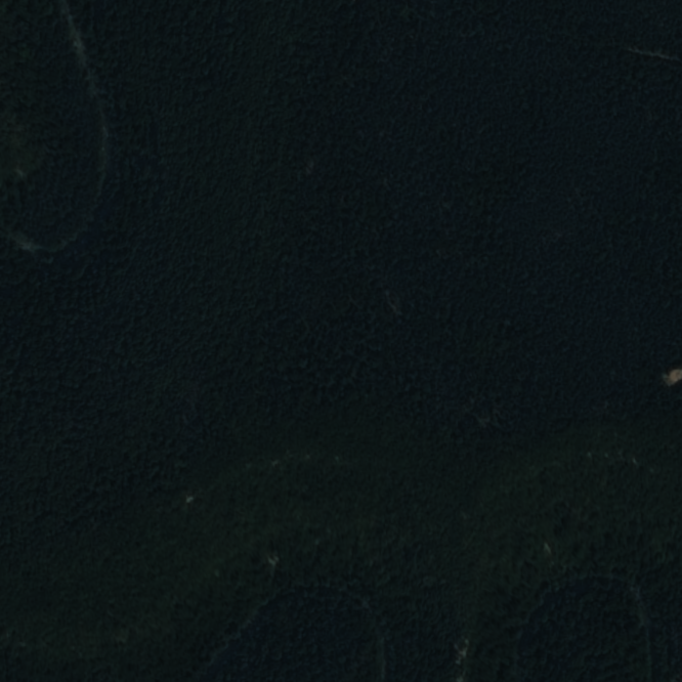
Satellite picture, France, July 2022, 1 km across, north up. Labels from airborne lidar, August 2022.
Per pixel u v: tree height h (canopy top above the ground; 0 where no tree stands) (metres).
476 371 21
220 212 17
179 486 15
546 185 22
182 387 14
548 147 24
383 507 14
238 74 23
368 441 14
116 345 27
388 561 17
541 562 8
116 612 18
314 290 19
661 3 24
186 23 29
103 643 17
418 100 26
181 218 19
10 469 21
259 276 13
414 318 21
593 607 27
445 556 13
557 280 26
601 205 22
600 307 28
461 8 17
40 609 18
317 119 21
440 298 26
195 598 24
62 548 16
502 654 26
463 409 15
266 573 26
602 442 9
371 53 21
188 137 20
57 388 29
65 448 23
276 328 19
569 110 23
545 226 22
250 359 19
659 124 22
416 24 26
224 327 14
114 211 34
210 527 14
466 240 23
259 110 16
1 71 13
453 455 11
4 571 14
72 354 34
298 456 9
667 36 17
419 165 24
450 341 25
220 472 8
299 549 13
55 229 33
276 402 17
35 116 29
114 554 17
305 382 23
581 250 23
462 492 10
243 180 17
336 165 21
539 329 18
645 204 17
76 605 17
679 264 18
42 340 25
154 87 12
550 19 18
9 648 19
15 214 28
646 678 18
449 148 25
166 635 21
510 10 26
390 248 21
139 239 24
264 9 15
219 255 15
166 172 16
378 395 18
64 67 31
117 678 22
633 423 12
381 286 25
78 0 23
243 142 16
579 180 24
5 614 14
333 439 10
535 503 16
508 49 27
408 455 12
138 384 25
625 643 14
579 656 31
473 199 26
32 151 19
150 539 17
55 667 20
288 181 14
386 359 21
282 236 16
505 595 29
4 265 29
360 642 32
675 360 18
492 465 12
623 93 24
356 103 21
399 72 23
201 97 25
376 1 23
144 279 19
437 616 18
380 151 20
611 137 24
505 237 23
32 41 30
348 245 20
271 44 12
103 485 15
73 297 30
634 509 10
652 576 31
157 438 18
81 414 25
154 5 27
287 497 14
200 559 15
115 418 22
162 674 25
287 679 30
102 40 29
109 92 23
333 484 13
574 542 9
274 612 31
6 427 25
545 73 24
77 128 38
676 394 15
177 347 20
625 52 21
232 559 16
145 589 18
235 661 27
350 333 22
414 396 18
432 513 13
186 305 22
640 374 17
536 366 24
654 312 22
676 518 11
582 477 15
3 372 28
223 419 17
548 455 12
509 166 16
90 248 31
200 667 24
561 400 21
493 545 13
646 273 18
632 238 19
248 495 13
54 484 18
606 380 21
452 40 26
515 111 24
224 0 29
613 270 25
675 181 19
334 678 34
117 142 27
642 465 8
